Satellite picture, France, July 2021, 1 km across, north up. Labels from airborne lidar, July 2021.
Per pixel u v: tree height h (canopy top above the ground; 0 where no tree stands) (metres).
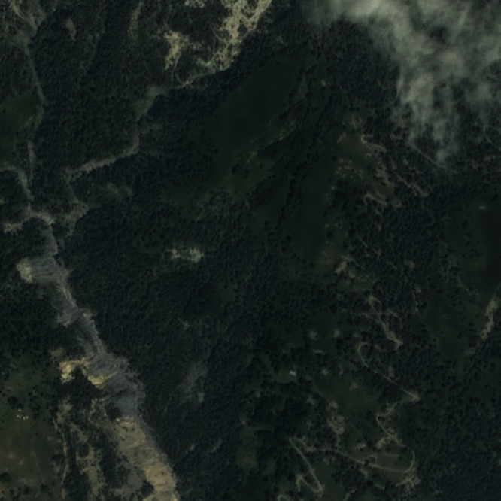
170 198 7
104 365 0
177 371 10
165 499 0
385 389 10
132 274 13
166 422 7
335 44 8
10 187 9
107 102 12
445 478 12
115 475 8
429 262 20
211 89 11
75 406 6
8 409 0
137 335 18
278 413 16
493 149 11
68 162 16
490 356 14
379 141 9
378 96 16
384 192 0
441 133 14
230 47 7
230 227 12
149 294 18
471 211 0
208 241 9
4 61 14
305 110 17
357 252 11
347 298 20
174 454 11
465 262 0
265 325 20
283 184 18
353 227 13
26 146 16
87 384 8
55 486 0
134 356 7
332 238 17
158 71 15
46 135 16
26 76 10
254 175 0
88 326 0
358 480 10
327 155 0
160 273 10
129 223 16
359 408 0
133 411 0
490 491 14
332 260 0
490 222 0
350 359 8
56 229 13
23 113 0
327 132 14
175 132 6
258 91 0
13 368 6
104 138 7
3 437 0
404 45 7
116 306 9
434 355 15
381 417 7
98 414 6
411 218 23
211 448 14
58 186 13
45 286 8
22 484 0
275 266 13
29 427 0
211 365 10
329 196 0
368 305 10
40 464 0
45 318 9
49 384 6
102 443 7
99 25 12
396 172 8
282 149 15
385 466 0
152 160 16
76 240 7
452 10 8
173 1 6
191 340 13
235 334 15
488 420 7
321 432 11
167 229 12
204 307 19
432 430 6
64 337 8
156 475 0
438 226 15
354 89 10
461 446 14
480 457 14
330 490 0
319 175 0
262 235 0
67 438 7
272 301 12
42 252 7
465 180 24
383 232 14
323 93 9
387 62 10
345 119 0
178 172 9
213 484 9
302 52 18
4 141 0
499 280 0
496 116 11
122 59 18
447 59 15
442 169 16
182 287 19
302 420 8
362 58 13
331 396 0
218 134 0
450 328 0
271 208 0
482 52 7
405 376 14
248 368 11
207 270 14
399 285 18
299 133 16
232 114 0
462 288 0
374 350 15
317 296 10
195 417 11
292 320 22
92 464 6
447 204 25
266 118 0
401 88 12
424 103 9
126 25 7
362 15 10
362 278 0
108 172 18
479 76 12
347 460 7
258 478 9
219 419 15
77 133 12
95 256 20
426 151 15
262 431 14
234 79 15
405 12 0
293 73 0
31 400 7
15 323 12
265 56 20
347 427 0
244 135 0
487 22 7
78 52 14
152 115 7
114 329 18
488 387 10
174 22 10
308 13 14
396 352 14
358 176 0
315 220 0
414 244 18
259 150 8
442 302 0
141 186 20
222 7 12
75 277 7
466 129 20
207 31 10
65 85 16
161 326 12
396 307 11
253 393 9
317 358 5
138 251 7
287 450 17
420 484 6
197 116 14
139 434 0
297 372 7
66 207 7
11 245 11
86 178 7
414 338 21
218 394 14
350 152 0
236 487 14
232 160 0
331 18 10
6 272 13
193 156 7
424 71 14
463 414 12
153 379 10
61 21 15
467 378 8
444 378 14
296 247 0
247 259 13
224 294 0
